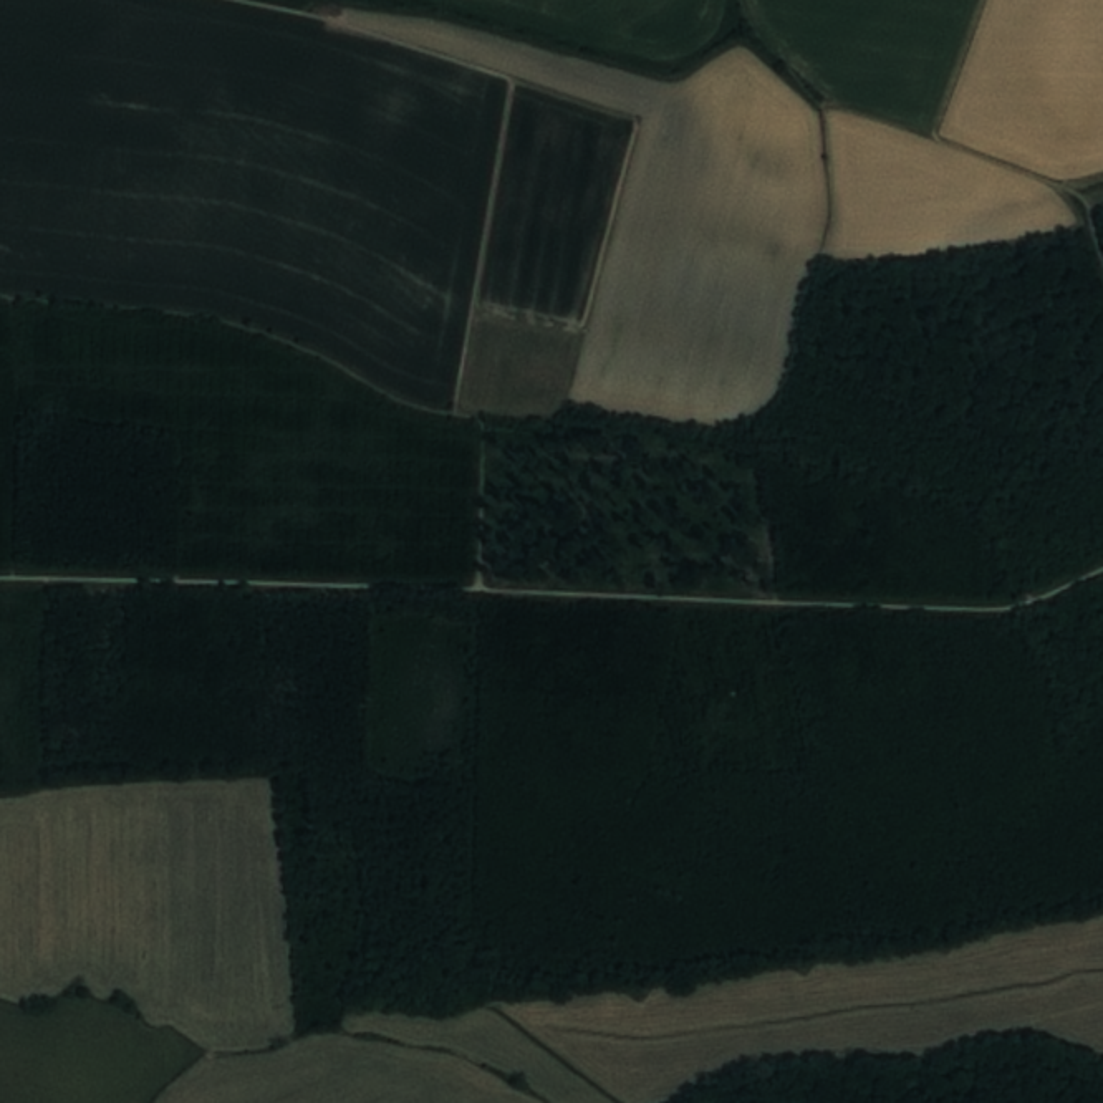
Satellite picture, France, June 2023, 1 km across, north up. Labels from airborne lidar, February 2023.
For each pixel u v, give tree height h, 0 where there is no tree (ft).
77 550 50
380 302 0
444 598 79
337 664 57
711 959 73
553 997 58
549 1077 0
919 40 0
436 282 0
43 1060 0
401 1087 0
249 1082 0
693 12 0
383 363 0
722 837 29
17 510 34
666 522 91
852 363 62
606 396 0
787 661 29
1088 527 34
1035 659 44
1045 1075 80
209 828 0
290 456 0
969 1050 60
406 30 0
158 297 0
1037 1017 0
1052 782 24
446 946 67
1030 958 0
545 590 0
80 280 0
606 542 100
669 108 0
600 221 0
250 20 0
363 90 0
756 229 0
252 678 47
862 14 0
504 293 0
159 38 0
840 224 0
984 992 0
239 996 0
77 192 0
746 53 0
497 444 92
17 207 0
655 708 27
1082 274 82
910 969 0
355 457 0
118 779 64
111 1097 0
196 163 0
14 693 0
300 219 0
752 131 0
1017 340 81
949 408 52
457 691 0
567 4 0
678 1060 0
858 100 0
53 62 0
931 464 34
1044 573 26
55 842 0
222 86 0
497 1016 0
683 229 0
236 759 48
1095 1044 0
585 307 0
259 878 0
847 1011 0
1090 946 0
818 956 62
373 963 53
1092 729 24
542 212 0
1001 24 0
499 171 0
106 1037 0
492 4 0
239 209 0
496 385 0
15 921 0
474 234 0
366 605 52
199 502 0
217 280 0
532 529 101
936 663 36
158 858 0
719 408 0
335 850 77
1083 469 56
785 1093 78
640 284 0
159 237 0
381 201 0
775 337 0
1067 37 0
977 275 82
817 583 47
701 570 68
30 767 0
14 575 0
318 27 0
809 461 62
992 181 0
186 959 0
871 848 38
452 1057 0
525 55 0
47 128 0
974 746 28
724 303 0
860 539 46
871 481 68
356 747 57
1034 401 72
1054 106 0
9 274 0
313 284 0
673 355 0
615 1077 0
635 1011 0
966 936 60
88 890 0
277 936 0
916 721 31
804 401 25
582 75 0
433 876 52
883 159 0
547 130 0
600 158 0
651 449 0
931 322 81
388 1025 0
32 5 0
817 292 57
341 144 0
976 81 0
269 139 0
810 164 0
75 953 0
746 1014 0
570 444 88
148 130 0
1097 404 75
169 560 44
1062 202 0
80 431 50
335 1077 0
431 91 0
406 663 0
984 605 0
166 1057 0
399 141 0
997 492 45
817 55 0
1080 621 46
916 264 70
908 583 39
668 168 0
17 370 0
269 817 0
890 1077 74
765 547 0
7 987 0
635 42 0
